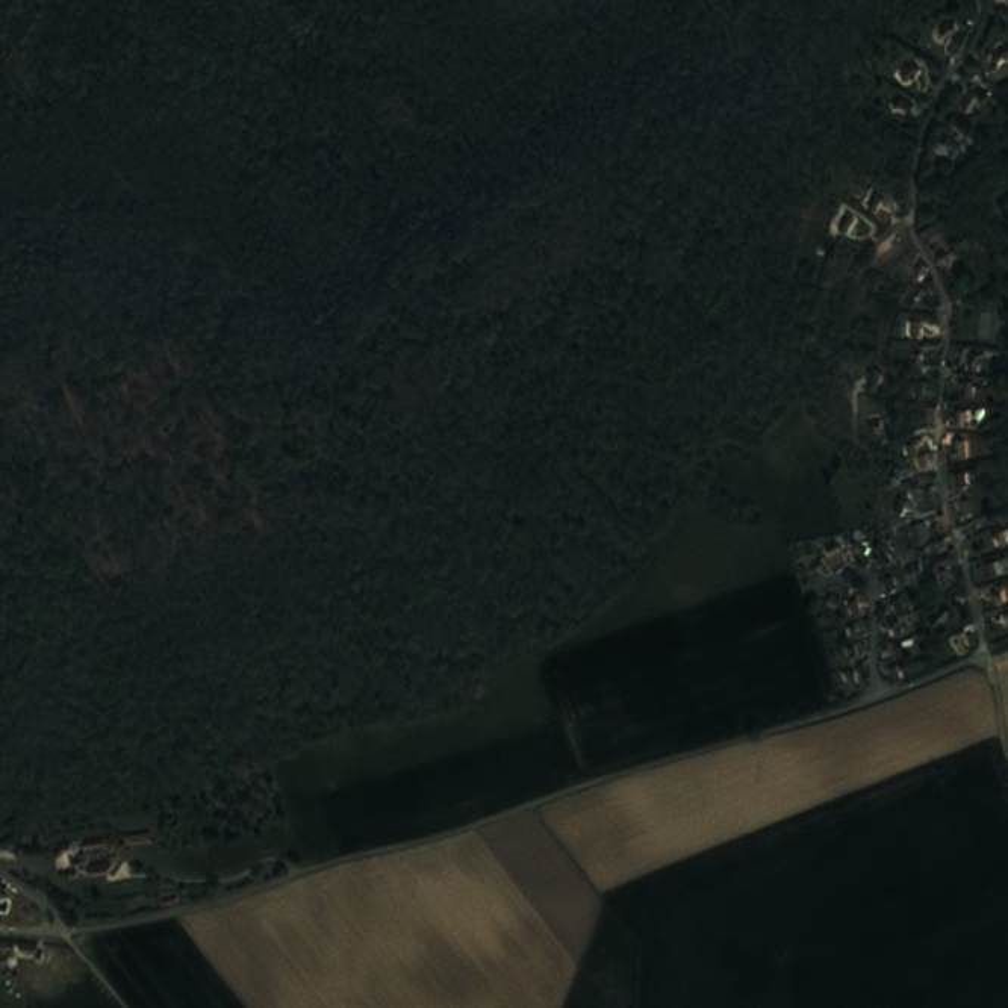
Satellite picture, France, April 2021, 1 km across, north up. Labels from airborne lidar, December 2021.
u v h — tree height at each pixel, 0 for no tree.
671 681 0
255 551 10
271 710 10
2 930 0
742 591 0
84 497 6
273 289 22
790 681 0
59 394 17
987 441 9
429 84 23
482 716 0
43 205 23
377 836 0
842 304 7
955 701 0
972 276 14
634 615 0
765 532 0
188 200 28
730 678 0
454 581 24
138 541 9
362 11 19
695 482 14
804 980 0
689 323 19
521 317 20
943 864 0
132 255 19
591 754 0
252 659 21
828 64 23
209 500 23
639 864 0
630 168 21
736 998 0
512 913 0
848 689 10
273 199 22
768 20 21
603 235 22
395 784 0
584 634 0
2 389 23
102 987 0
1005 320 7
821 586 0
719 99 23
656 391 25
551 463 24
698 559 0
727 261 22
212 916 0
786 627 0
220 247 28
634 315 22
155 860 0
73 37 8
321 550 17
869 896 0
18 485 22
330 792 0
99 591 15
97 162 24
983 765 0
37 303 20
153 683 20
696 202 18
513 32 28
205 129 23
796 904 0
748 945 0
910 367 12
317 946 0
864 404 0
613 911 0
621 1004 0
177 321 22
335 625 19
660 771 0
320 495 20
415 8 28
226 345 16
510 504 22
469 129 23
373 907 0
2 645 19
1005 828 0
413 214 16
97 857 0
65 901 12
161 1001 0
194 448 27
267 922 0
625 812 0
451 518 20
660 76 27
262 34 21
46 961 0
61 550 18
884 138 17
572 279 14
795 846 0
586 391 20
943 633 12
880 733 0
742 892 0
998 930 0
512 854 0
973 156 19
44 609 17
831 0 22
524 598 20
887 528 6
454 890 0
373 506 17
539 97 25
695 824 0
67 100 23
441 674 19
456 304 23
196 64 22
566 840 0
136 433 20
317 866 0
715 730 0
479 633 18
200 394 25
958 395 7
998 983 0
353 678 13
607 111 22
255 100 12
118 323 23
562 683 0
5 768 21
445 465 22
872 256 14
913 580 0
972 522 0
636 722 0
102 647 17
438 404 17
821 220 0
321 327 20
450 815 0
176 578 18
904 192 15
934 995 0
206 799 10
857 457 7
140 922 0
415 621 22
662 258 24
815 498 0
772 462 0
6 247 26
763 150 19
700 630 0
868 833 0
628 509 7
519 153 18
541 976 0
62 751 19
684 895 0
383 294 25
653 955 0
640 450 22
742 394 22
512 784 0
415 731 0
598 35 21
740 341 22
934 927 0
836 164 25
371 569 20
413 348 21
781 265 16
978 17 17
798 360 21
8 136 24
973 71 12
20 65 0
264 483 13
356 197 20
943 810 0
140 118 26
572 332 9
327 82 24
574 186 18
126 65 17
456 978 0
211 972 0
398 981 0
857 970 0
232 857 0
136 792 12
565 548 25
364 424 10
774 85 14
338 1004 0
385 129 25
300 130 11
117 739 14
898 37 8
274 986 0
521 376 12
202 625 18
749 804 0
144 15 24
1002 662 0
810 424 0
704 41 25
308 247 21
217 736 20
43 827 9
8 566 18
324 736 15
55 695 18
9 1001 0
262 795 12
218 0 18
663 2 25
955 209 22
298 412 18
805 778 0
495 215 19
